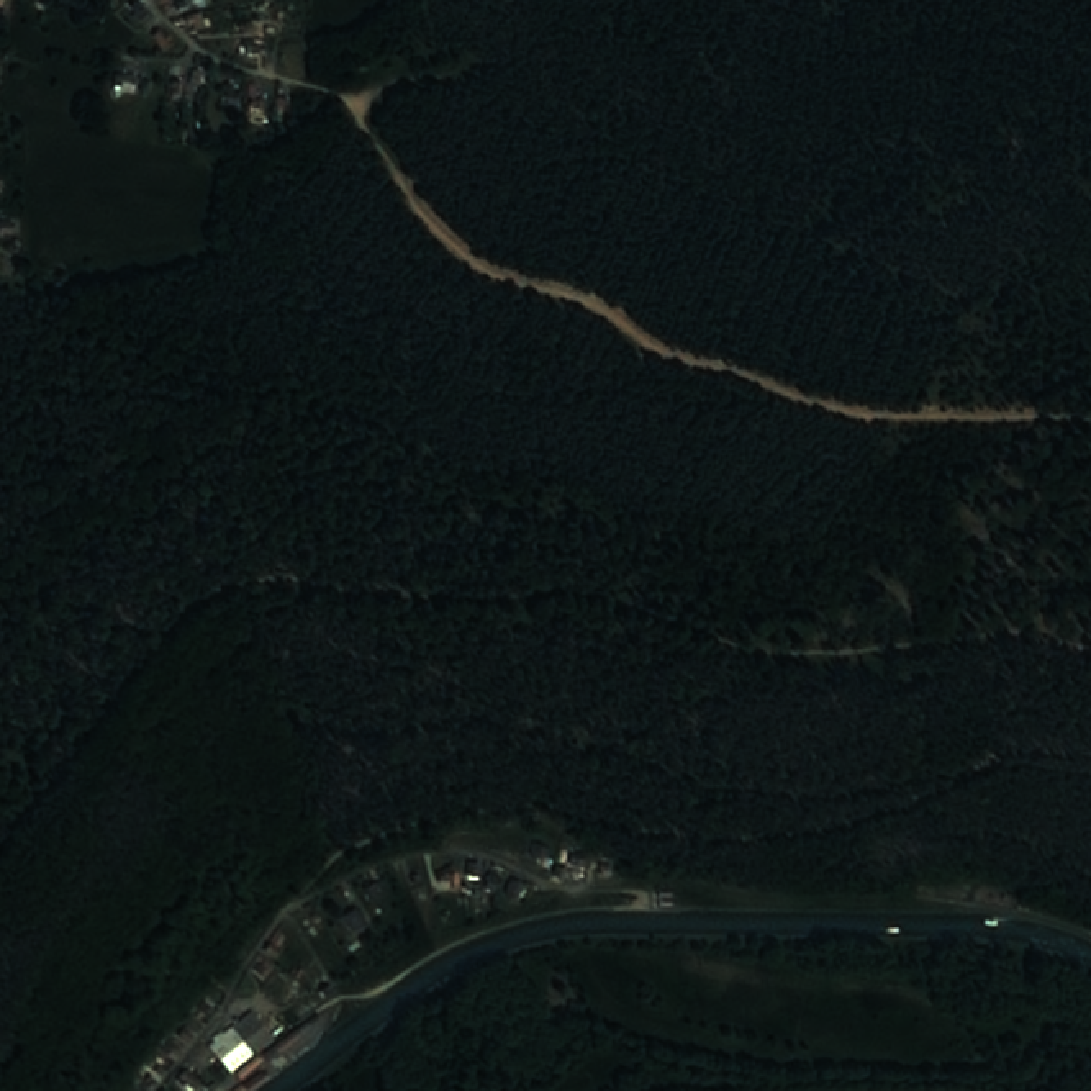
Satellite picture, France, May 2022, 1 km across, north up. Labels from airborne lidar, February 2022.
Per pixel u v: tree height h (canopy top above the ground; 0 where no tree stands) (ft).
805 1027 0
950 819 74
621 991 0
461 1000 80
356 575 89
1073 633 91
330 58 43
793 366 47
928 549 41
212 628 70
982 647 95
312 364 43
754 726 84
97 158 0
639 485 56
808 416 56
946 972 92
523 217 61
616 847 85
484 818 82
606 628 90
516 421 50
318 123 50
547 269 64
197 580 82
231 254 59
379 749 102
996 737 82
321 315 69
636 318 55
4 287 0
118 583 77
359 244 64
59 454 66
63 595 77
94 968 71
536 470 61
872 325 62
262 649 85
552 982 0
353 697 76
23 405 72
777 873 64
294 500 89
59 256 0
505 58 49
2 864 63
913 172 77
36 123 0
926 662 89
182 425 94
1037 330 43
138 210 0
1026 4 80
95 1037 97
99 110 56
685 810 83
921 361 51
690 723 75
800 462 51
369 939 29
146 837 67
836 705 77
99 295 52
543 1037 78
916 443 29
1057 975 88
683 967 0
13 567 66
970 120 64
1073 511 92
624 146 50
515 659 84
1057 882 80
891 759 88
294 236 62
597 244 64
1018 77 58
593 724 90
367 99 0
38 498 94
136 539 76
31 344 85
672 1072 68
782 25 68
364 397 50
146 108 0
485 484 60
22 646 94
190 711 80
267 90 0
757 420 58
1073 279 58
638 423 45
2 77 0
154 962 103
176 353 69
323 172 67
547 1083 60
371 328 76
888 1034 0
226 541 94
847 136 72
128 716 75
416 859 0
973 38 73
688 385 52
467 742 93
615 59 64
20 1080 70
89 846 69
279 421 83
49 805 77
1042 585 95
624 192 63
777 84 72
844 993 0
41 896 68
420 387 60
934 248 91
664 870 41
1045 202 78
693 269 52
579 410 58
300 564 84
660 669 89
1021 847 76
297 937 0
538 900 0
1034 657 87
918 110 69
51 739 80
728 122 58
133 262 0
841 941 66
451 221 60
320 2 0
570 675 79
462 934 0
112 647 85
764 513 41
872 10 84
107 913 71
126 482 89
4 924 66
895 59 68
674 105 56
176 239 0
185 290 52
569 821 82
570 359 45
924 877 87
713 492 52
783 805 77
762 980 0
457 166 68
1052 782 77
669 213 61
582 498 18
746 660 74
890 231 73
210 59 18
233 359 57
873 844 89
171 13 0
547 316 63
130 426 93
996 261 88
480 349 67
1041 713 81
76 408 93
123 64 0
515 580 96
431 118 62
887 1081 56
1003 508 89
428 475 93
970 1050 0
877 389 41
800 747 82
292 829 85
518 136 66
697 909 0
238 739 74
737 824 64
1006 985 90
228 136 54
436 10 72
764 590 54
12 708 98
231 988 0
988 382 33
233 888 98
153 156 0
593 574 80
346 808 101
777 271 63
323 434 74
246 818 79
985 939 0
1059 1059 73
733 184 67
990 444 32
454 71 0
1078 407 94
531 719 81
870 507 24
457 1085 70
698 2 49
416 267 77
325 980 0
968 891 0
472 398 56
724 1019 0
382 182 48
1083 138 58
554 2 60
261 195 51
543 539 62
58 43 0
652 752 91
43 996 68
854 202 59
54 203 0
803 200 83
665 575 58
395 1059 73
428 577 76
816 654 0
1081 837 80
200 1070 0
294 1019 0
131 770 72
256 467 83
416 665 103
